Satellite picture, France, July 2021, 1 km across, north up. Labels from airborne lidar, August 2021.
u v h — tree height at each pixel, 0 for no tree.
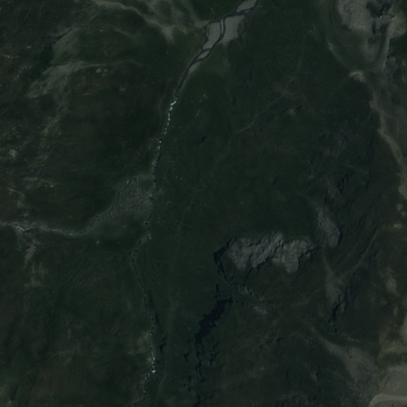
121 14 0
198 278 0
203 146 0
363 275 0
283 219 0
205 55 0
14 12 0
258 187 0
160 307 0
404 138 0
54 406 0
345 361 0
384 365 0
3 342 0
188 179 0
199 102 0
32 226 0
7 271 0
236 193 0
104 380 0
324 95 0
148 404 0
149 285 0
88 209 0
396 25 0
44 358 0
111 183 0
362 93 0
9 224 0
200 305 0
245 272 0
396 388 0
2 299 0
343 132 0
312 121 0
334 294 0
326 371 0
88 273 0
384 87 0
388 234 0
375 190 0
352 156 0
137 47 0
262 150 0
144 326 0
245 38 0
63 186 0
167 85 0
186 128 0
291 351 0
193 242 0
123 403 0
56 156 0
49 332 0
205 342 0
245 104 0
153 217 0
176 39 0
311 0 0
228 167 0
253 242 0
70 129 0
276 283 0
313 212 0
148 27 0
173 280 0
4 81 0
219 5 0
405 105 0
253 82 0
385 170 0
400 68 0
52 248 0
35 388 0
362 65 0
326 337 0
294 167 0
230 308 0
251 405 0
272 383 0
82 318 0
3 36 0
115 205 0
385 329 0
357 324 0
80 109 0
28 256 0
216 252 0
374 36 0
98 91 0
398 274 0
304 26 0
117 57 0
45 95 0
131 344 0
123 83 0
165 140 0
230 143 0
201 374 10
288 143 0
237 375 0
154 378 0
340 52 0
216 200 0
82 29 0
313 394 0
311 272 0
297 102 0
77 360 0
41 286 0
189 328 0
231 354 0
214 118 0
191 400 0
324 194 0
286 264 0
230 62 0
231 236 0
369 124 0
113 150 0
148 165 0
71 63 0
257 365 0
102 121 0
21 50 0
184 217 0
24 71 0
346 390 0
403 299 0
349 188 0
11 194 0
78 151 0
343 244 0
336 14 0
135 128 0
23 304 0
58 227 0
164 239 0
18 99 0
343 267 0
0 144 0
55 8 0
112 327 0
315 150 0
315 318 0
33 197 0
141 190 0
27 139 0
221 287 0
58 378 0
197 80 0
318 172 0
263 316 0
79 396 0
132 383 0
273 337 0
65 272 0
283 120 0
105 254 0
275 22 0
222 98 0
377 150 0
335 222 0
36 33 0
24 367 0
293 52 0
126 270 0
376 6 0
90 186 0
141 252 0
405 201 0
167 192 0
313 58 0
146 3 0
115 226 0
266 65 0
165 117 0
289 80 0
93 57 0
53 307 0
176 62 0
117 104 0
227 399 0
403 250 0
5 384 0
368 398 0
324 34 0
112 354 0
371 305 0
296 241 0
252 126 0
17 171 0
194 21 0
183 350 0
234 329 0
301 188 0
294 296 0
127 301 0
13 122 0
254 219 0
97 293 0
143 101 0
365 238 0
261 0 0
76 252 0
